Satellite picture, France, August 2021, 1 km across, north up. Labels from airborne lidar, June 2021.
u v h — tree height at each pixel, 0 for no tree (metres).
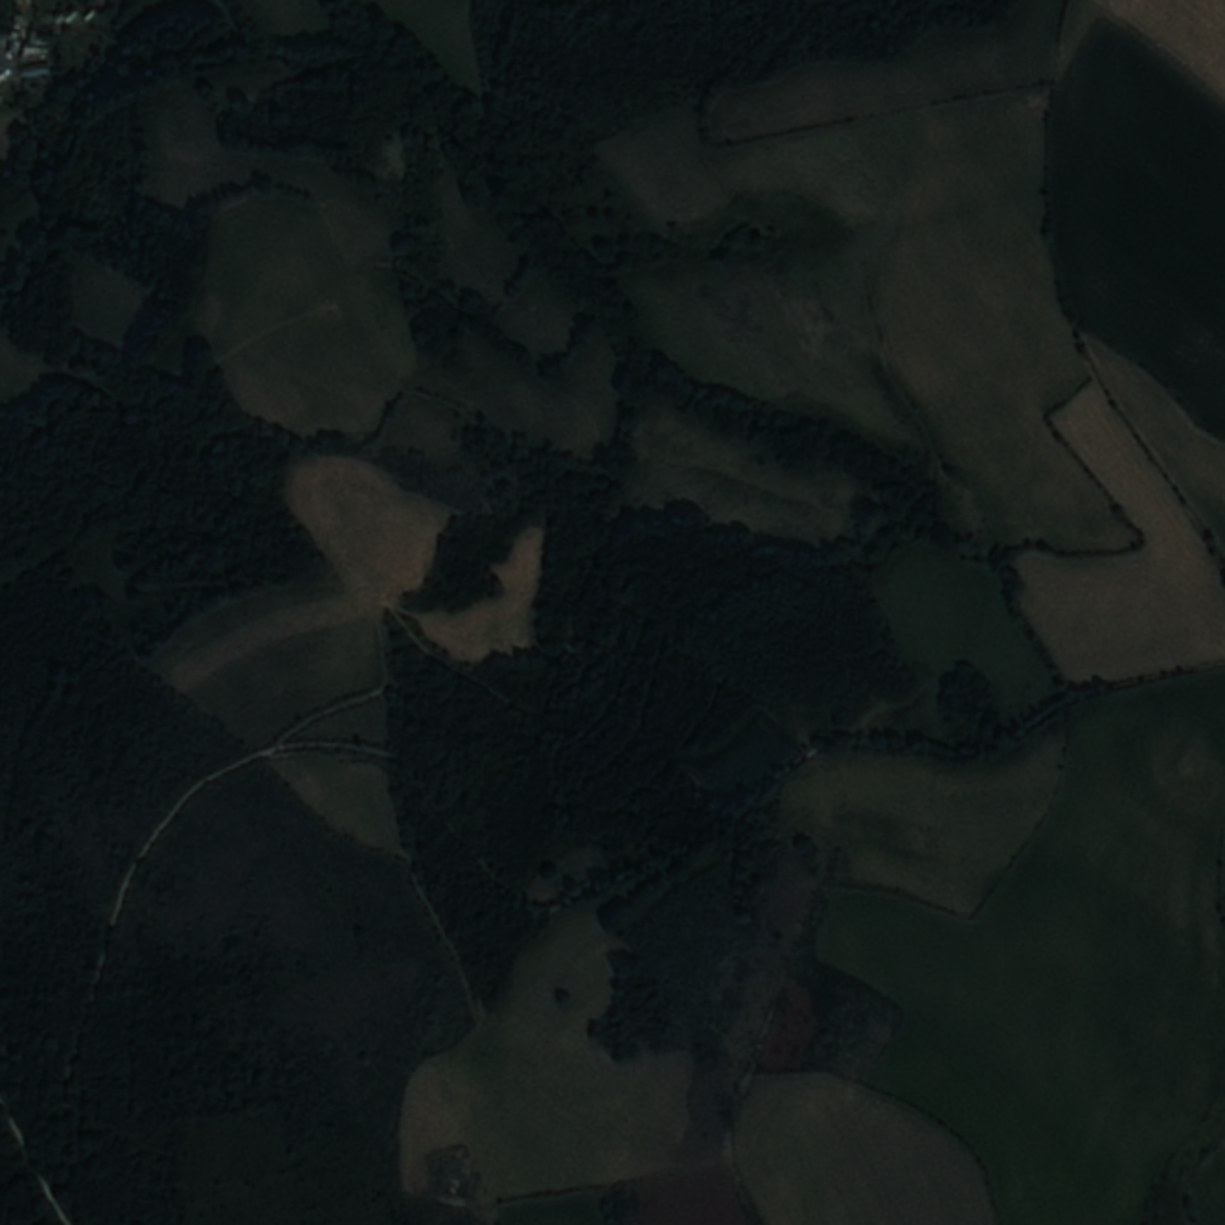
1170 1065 0
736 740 0
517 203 27
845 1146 0
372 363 0
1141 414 0
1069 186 0
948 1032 0
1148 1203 0
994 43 0
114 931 8
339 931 0
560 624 14
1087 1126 0
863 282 0
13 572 17
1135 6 0
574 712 9
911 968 0
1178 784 0
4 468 23
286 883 0
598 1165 0
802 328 0
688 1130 0
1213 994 0
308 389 0
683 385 21
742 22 16
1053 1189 0
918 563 0
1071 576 0
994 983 0
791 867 0
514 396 0
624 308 23
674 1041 0
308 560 19
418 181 15
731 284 0
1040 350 0
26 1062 10
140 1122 7
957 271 0
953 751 7
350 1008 0
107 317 0
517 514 8
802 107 0
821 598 18
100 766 7
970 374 0
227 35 12
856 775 0
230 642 0
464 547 10
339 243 0
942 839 0
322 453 10
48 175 22
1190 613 0
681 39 20
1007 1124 0
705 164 0
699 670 10
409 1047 0
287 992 0
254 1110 12
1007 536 0
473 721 11
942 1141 0
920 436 0
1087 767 0
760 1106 0
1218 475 0
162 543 7
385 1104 0
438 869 12
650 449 0
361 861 0
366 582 0
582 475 15
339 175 10
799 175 0
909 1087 0
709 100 8
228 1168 0
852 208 0
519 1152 0
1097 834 0
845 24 9
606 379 0
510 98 8
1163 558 0
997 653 0
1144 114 0
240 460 19
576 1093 0
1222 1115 0
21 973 10
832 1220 0
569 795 9
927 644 0
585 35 17
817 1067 0
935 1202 0
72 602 7
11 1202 21
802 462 23
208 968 6
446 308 14
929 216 0
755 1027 0
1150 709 0
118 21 13
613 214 11
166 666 0
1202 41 0
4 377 0
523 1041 0
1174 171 0
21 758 6
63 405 23
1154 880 0
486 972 8
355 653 0
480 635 0
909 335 0
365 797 0
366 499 0
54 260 21
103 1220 9
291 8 0
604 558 19
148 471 21
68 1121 11
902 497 25
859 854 0
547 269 23
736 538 13
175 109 0
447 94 27
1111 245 0
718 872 0
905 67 0
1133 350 0
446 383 0
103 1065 8
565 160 9
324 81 16
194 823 0
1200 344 0
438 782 16
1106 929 0
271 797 0
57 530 20
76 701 12
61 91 16
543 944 0
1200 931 0
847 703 12
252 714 0
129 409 15
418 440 0
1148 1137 0
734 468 0
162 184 0
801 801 0
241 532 18
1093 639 0
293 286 0
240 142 12
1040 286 0
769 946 0
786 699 15
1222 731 0
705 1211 0
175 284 17
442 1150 0
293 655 0
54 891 7
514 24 18
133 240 21
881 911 0
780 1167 0
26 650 6
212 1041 7
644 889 10
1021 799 0
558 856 0
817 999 0
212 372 13
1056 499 0
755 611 14
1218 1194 0
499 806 11
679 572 15
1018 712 0
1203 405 0
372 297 0
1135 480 0
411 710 9
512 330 0
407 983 0
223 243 0
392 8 0
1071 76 0
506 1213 0
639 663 9
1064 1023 0
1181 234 0
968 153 0
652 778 12
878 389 0
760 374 0
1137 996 0
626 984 10
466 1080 0
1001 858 0
